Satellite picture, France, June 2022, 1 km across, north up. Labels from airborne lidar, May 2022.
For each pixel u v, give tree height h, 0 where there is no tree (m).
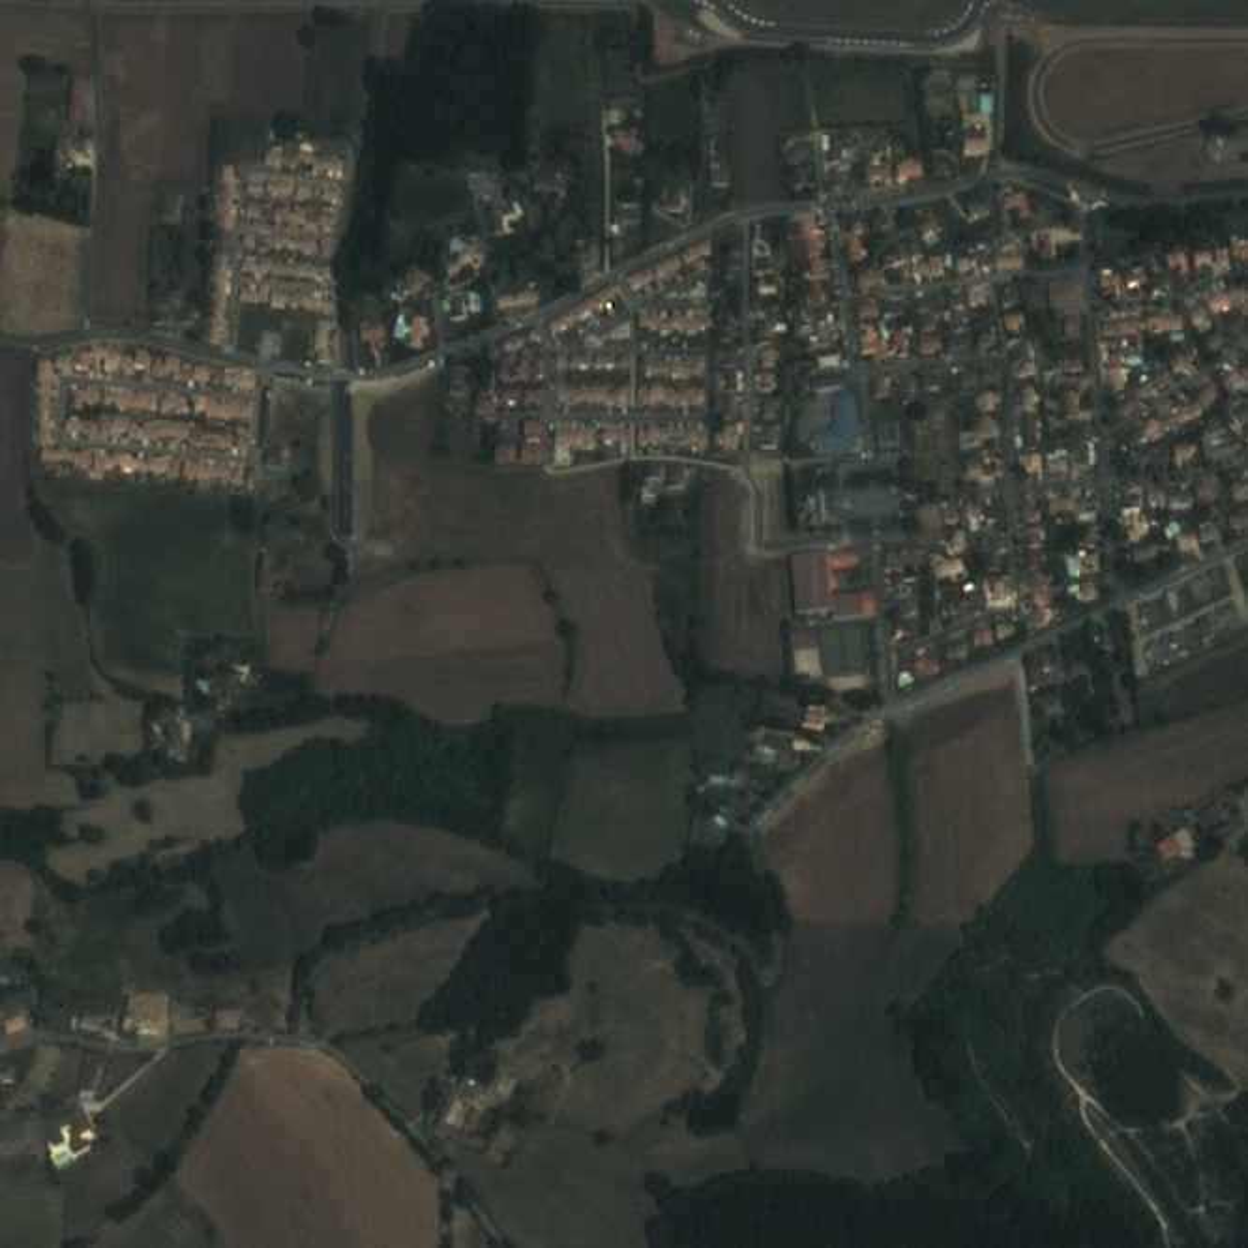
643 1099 0
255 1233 0
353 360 0
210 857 15
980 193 10
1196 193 12
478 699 0
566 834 0
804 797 0
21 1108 6
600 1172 0
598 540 0
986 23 0
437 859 0
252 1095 0
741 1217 21
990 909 9
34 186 7
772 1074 0
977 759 0
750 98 0
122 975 0
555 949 18
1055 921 6
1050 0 0
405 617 0
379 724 10
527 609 0
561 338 0
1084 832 0
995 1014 10
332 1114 0
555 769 0
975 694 0
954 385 0
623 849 0
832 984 0
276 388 0
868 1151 0
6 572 0
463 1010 15
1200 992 0
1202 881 0
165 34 0
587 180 6
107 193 0
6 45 0
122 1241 0
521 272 13
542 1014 0
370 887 0
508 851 7
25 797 0
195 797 0
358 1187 0
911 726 0
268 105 0
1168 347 7
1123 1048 8
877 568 0
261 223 0
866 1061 0
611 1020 0
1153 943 0
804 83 0
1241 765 0
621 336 0
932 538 0
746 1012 10
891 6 0
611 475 0
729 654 0
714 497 0
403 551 0
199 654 9
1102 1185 13
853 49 0
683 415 0
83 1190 0
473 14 18
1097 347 0
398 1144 0
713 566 0
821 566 0
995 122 0
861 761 0
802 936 0
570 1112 0
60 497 0
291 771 8
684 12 0
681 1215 21
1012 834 0
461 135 19
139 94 0
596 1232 0
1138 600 0
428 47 18
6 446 0
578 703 0
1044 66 0
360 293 15
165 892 9
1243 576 6
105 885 10
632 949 0
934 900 0
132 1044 0
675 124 0
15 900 0
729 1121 16
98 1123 8
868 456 0
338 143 0
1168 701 0
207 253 14
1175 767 0
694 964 12
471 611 0
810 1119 0
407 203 0
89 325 0
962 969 6
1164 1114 9
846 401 0
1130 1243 12
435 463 0
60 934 0
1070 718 11
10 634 0
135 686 6
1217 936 0
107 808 0
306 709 16
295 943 0
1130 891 18
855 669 0
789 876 0
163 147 0
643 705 0
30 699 0
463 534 0
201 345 0
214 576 0
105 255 0
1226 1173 8
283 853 13
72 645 0
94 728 0
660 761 0
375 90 13
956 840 0
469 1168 0
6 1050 0
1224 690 0
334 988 0
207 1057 0
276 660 0
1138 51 0
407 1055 0
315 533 0
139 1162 0
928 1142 0
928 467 0
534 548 0
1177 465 8
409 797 9
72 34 0
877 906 0
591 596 0
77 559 12
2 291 0
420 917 11
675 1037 0
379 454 0
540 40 14
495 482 0
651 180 7
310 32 13
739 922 17
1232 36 0
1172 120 0
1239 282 6
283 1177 0
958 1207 6
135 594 0
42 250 0
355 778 10
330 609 0
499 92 24
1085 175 13
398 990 0
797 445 10
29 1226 0
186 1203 0
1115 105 0
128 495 0
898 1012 14
